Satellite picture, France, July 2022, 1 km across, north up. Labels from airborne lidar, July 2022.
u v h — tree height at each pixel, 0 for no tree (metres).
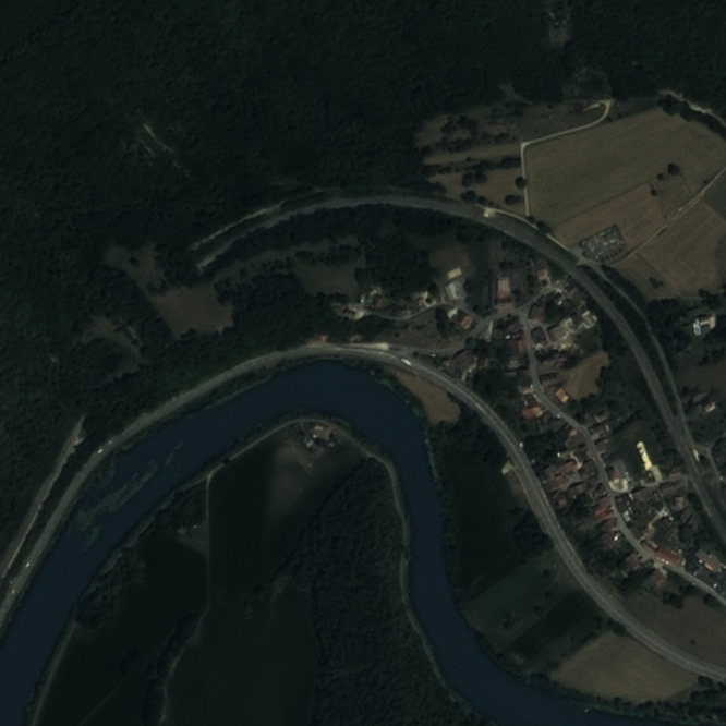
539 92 20
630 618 0
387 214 21
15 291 20
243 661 0
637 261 0
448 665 0
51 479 0
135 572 21
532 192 0
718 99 12
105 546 0
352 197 8
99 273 20
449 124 7
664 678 0
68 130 26
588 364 0
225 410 0
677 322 18
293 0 18
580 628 0
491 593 0
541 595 0
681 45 16
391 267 15
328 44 21
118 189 19
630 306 21
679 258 0
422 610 0
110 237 25
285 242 18
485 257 0
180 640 19
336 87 21
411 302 9
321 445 16
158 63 20
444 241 0
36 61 21
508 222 0
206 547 0
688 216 0
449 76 23
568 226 0
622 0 17
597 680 0
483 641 25
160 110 24
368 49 24
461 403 10
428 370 0
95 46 23
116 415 17
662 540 0
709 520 9
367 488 15
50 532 0
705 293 14
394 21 22
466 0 21
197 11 21
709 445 0
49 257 17
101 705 0
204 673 0
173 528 6
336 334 17
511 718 0
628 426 6
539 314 0
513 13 13
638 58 21
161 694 17
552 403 0
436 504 0
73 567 0
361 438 7
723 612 0
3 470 17
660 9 17
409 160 16
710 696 19
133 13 25
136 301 22
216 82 24
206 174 19
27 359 18
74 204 23
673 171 13
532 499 0
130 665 27
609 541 0
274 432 0
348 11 21
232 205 18
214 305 0
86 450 23
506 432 0
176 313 0
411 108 26
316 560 20
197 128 25
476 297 0
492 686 0
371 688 22
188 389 8
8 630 0
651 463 0
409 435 0
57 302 19
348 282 0
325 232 18
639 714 16
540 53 16
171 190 16
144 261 0
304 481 0
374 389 0
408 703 17
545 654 0
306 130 23
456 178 0
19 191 20
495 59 16
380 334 7
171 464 0
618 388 0
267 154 22
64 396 14
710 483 0
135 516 0
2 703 0
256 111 24
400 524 13
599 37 11
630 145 0
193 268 19
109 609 15
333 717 26
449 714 17
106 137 25
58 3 7
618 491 0
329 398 0
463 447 18
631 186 0
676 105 21
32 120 22
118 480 0
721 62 16
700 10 17
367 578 17
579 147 0
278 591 0
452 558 20
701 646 0
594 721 0
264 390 0
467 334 0
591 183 0
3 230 29
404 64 27
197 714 0
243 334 13
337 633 25
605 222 0
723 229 0
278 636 0
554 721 0
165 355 12
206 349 17
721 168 0
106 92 26
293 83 19
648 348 12
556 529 0
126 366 0
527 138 0
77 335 19
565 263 0
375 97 25
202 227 21
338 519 25
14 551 0
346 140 23
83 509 0
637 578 13
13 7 6
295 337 18
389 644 16
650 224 0
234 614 0
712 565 0
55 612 0
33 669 0
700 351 0
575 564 0
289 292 22
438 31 22
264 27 21
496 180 0
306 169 10
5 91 19
